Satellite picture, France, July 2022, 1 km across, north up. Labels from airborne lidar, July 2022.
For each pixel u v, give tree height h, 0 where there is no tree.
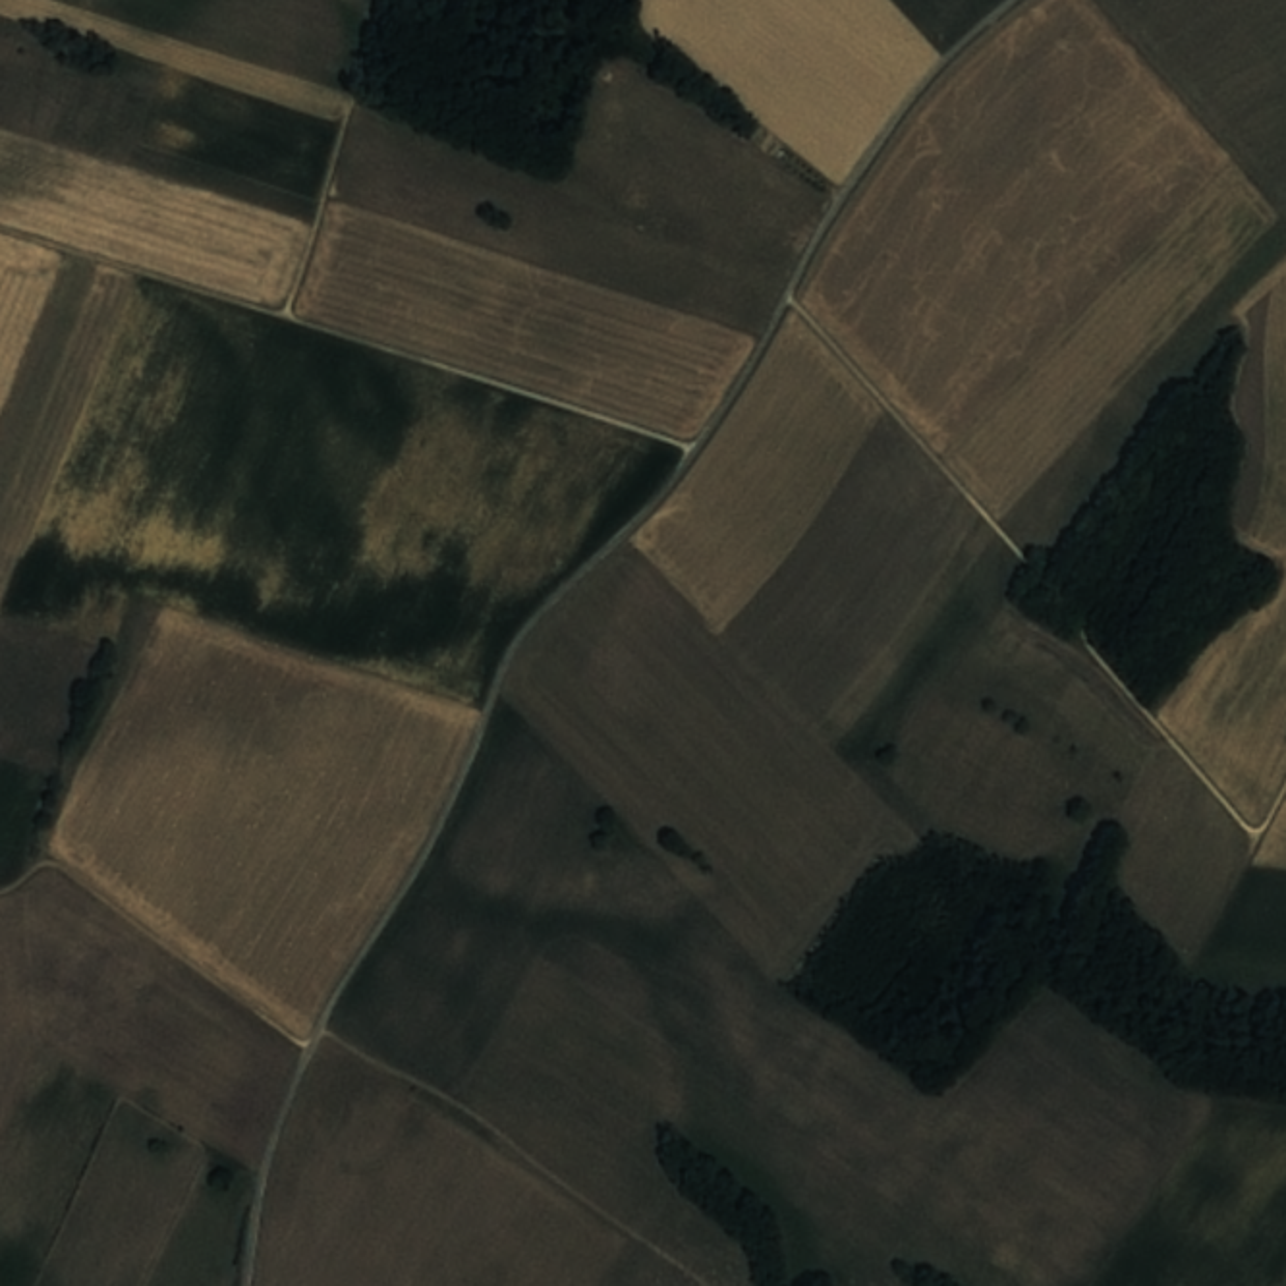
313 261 0
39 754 0
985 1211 0
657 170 0
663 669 0
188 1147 0
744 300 0
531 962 0
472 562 0
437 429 0
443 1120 0
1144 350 0
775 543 0
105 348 0
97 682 12
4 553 0
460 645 0
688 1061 0
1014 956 25
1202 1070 19
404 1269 0
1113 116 0
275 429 0
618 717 0
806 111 0
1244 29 0
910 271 0
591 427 0
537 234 0
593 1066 0
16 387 0
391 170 0
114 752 0
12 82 0
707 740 0
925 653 0
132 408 0
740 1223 17
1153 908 0
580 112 25
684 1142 8
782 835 0
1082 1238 0
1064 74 0
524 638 0
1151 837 0
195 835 0
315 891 0
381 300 0
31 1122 0
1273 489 0
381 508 0
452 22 34
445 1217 0
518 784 0
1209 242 0
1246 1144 0
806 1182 0
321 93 0
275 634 0
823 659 0
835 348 0
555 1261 0
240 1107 0
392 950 0
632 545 0
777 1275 18
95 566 0
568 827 0
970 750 0
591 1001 0
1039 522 0
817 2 0
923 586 0
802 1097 0
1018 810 0
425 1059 0
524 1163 0
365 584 0
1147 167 0
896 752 10
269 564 0
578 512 0
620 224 0
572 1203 0
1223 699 0
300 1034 0
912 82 0
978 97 0
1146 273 0
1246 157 0
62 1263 0
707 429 0
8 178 0
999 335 0
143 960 0
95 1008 0
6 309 0
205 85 0
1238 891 0
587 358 0
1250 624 0
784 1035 0
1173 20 0
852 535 0
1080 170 0
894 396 0
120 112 0
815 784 0
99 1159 0
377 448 0
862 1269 0
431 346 0
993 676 0
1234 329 9
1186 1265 0
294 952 0
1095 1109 0
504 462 0
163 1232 0
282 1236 0
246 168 0
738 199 0
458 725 0
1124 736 0
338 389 0
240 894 0
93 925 0
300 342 0
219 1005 0
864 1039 12
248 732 0
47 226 0
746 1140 0
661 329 0
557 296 0
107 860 0
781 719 0
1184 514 14
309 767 0
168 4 0
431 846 0
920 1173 0
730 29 0
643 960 0
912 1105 0
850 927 7
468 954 0
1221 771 0
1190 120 0
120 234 0
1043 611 12
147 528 0
